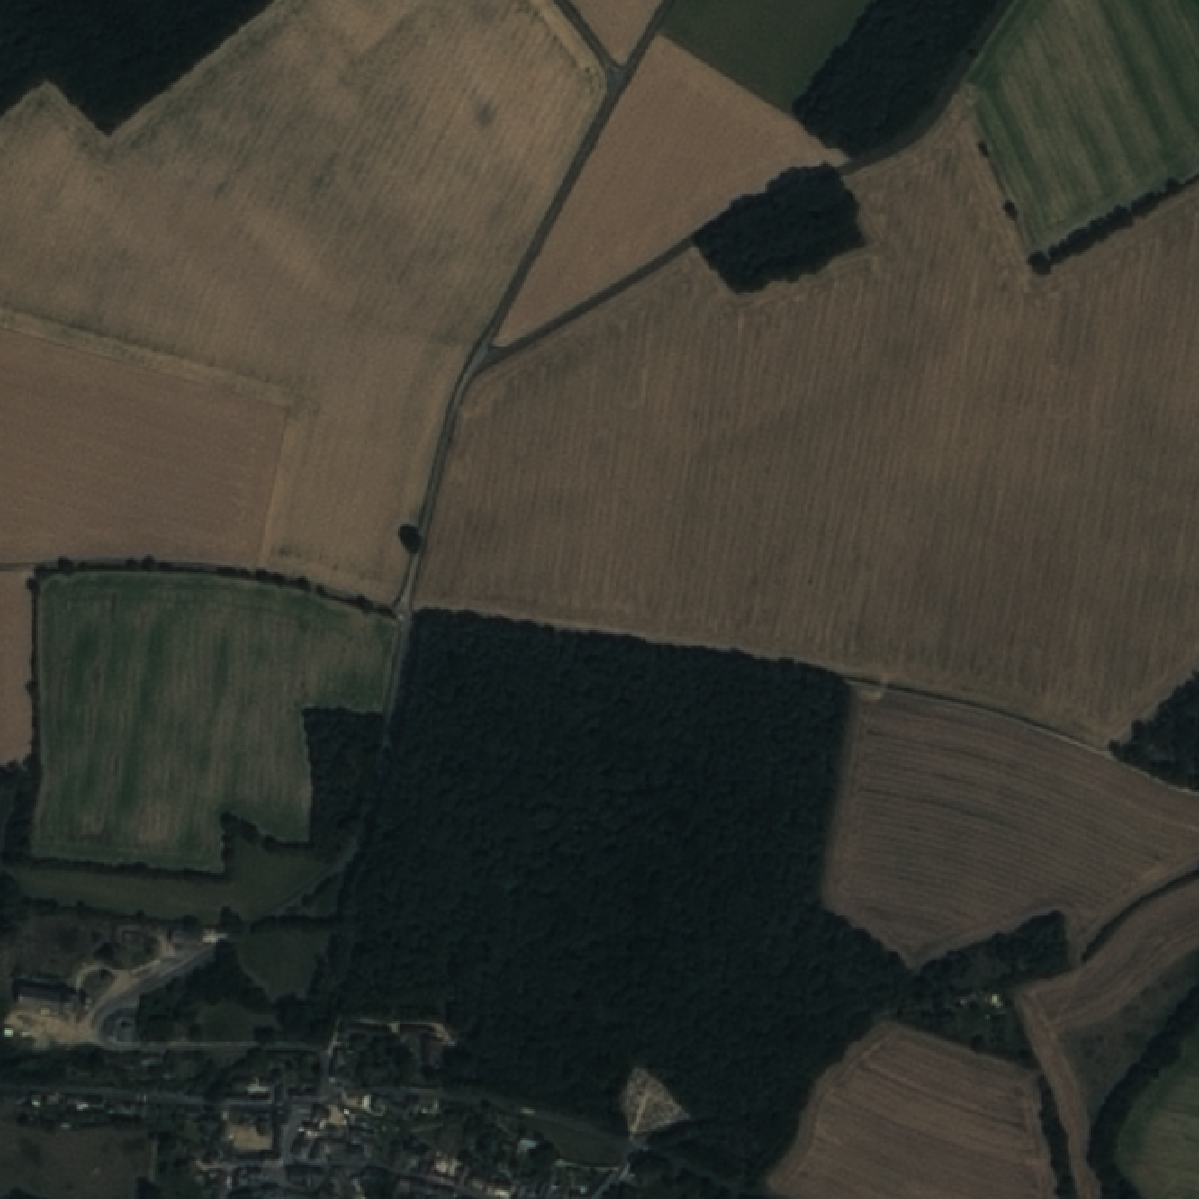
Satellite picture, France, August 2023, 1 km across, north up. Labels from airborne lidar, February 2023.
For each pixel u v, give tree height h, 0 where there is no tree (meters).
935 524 0
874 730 0
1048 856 0
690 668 20
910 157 0
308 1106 0
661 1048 27
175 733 0
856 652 0
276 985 0
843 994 28
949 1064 0
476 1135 8
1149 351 0
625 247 0
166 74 17
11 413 0
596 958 30
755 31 0
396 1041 9
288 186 0
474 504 0
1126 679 0
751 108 0
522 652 21
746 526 0
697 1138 15
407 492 0
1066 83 0
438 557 0
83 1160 0
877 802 0
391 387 0
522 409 0
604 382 0
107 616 0
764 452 0
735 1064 22
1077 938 0
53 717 0
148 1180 0
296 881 0
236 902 0
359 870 16
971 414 0
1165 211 0
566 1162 6
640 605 0
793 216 20
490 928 16
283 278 0
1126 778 0
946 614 0
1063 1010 0
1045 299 0
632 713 20
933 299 0
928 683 0
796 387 0
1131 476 0
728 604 0
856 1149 0
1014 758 0
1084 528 0
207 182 0
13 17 17
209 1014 0
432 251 0
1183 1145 0
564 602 0
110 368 0
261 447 0
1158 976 0
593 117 0
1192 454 0
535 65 0
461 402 0
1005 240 0
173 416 0
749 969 21
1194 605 0
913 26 22
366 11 0
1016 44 0
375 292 0
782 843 24
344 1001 22
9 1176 0
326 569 0
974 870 0
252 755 0
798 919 26
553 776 19
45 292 0
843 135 16
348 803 23
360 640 0
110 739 0
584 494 0
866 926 0
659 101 0
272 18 0
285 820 0
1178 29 0
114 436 0
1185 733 25
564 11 0
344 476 0
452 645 22
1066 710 0
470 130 0
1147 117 0
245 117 0
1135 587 0
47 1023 0
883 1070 0
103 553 0
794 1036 25
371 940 22
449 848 28
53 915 10
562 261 0
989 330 0
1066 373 0
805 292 0
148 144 0
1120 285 0
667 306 0
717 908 28
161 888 0
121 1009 0
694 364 0
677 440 0
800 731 22
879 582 0
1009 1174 0
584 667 22
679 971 26
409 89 0
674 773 20
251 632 0
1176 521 0
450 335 0
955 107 0
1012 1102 0
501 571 0
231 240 0
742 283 17
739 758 20
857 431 0
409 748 21
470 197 0
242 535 0
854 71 20
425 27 0
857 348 0
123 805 0
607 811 25
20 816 8
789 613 0
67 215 0
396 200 0
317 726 18
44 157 0
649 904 31
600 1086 22
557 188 0
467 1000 24
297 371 0
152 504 0
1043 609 0
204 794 0
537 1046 31
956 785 0
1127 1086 11
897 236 0
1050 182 0
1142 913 0
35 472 0
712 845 27
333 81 0
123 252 0
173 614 0
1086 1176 0
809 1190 0
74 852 0
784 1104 17
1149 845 0
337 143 0
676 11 0
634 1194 13
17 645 0
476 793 20
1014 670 0
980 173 0
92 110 13
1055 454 0
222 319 0
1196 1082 0
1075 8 0
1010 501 0
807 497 0
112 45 18
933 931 0
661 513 0
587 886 27
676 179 0
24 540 0
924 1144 0
